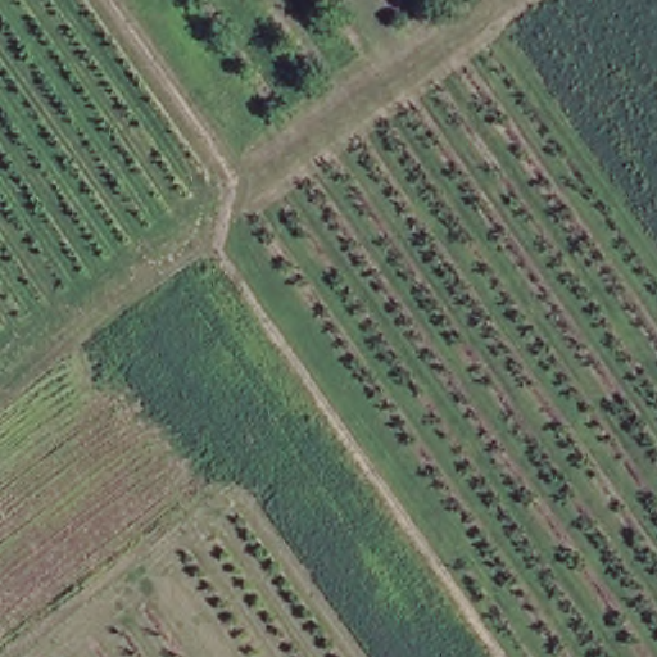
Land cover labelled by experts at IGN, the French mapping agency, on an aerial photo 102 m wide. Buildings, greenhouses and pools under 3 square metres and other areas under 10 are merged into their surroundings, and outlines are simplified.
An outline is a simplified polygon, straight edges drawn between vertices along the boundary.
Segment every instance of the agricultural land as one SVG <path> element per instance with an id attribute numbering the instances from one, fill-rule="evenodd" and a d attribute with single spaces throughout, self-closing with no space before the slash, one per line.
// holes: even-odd
<path id="1" fill-rule="evenodd" d="M 518 46 L 526 51 L 526 56 L 542 74 L 547 92 L 559 100 L 580 139 L 595 154 L 598 167 L 608 175 L 608 182 L 624 190 L 626 208 L 642 223 L 644 234 L 649 234 L 657 244 L 657 0 L 539 0 L 536 5 L 529 5 L 521 15 L 516 15 L 503 33 L 511 41 L 518 41 Z"/>
<path id="2" fill-rule="evenodd" d="M 329 429 L 326 418 L 318 413 L 311 393 L 303 388 L 295 372 L 290 372 L 277 346 L 267 339 L 257 318 L 252 316 L 239 287 L 221 272 L 216 259 L 203 259 L 185 267 L 164 287 L 157 287 L 136 303 L 126 305 L 108 326 L 100 326 L 85 341 L 82 349 L 92 367 L 95 390 L 105 393 L 128 388 L 131 398 L 141 403 L 144 418 L 162 426 L 162 434 L 169 436 L 175 452 L 185 457 L 190 462 L 190 470 L 195 475 L 203 475 L 205 482 L 234 482 L 249 490 L 249 495 L 259 503 L 267 521 L 285 539 L 298 562 L 308 570 L 313 585 L 323 593 L 326 603 L 336 611 L 339 621 L 346 626 L 346 631 L 367 657 L 490 657 L 459 616 L 454 601 L 441 590 L 436 575 L 423 562 L 418 549 L 390 518 L 382 498 L 367 480 L 359 477 L 357 465 L 349 459 L 336 434 Z"/>

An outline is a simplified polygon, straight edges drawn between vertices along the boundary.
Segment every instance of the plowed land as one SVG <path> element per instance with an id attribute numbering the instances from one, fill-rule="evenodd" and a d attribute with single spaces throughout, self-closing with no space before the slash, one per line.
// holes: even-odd
<path id="1" fill-rule="evenodd" d="M 105 393 L 95 390 L 92 367 L 82 349 L 80 354 L 72 354 L 59 367 L 54 367 L 15 403 L 0 408 L 0 654 L 28 629 L 33 629 L 33 624 L 51 616 L 64 598 L 85 588 L 85 583 L 92 577 L 90 557 L 98 554 L 100 562 L 113 565 L 118 557 L 144 544 L 144 534 L 167 534 L 175 524 L 167 516 L 177 513 L 180 506 L 185 506 L 205 482 L 203 475 L 195 475 L 190 470 L 190 462 L 185 457 L 175 452 L 169 436 L 162 434 L 162 426 L 144 418 L 141 403 L 131 398 L 128 388 Z"/>

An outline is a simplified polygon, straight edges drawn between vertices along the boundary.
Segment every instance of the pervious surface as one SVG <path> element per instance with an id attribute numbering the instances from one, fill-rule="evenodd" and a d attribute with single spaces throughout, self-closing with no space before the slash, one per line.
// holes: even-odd
<path id="1" fill-rule="evenodd" d="M 213 236 L 216 259 L 221 272 L 239 287 L 252 316 L 257 318 L 267 339 L 277 346 L 290 372 L 295 372 L 303 388 L 311 393 L 318 413 L 326 418 L 329 429 L 336 434 L 349 459 L 357 465 L 359 477 L 367 480 L 382 498 L 390 518 L 418 549 L 423 562 L 436 575 L 441 590 L 454 601 L 459 616 L 490 657 L 508 657 L 495 634 L 477 616 L 462 585 L 441 565 L 434 547 L 426 542 L 421 529 L 408 516 L 405 506 L 398 500 L 388 480 L 377 472 L 372 459 L 359 447 L 359 441 L 352 436 L 336 408 L 329 403 L 311 370 L 282 336 L 277 323 L 269 318 L 267 308 L 246 282 L 244 272 L 231 262 L 226 239 L 234 218 L 239 177 L 228 164 L 216 133 L 208 128 L 203 115 L 190 105 L 187 95 L 180 90 L 180 82 L 169 69 L 164 54 L 141 28 L 136 13 L 126 10 L 118 0 L 103 0 L 105 10 L 115 18 L 118 31 L 144 56 L 149 74 L 167 90 L 177 110 L 200 136 L 210 159 L 221 167 L 226 177 L 223 182 L 218 182 L 218 223 Z"/>

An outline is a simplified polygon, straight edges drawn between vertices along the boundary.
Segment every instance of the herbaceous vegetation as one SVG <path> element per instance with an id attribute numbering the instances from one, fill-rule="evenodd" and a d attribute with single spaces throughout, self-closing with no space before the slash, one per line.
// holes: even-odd
<path id="1" fill-rule="evenodd" d="M 108 326 L 126 305 L 136 303 L 157 287 L 164 287 L 185 267 L 203 259 L 216 259 L 213 236 L 218 223 L 218 182 L 223 182 L 226 177 L 221 167 L 210 159 L 200 136 L 177 110 L 167 90 L 149 74 L 144 56 L 118 31 L 115 18 L 105 10 L 103 0 L 0 0 L 0 15 L 3 15 L 5 26 L 10 28 L 13 38 L 18 41 L 18 46 L 23 49 L 23 56 L 21 56 L 21 59 L 13 59 L 13 54 L 10 54 L 10 51 L 8 51 L 8 46 L 5 46 L 5 38 L 0 36 L 0 408 L 15 403 L 54 367 L 59 367 L 72 354 L 80 354 L 82 349 L 85 341 L 100 326 Z M 77 95 L 59 80 L 51 62 L 46 59 L 46 54 L 51 51 L 64 62 L 64 69 L 72 74 L 72 80 L 77 80 L 90 103 L 80 105 Z M 64 105 L 69 123 L 59 123 L 59 115 L 46 105 L 41 92 L 33 87 L 31 72 L 36 69 L 44 77 L 46 87 Z M 108 139 L 90 126 L 90 118 L 100 118 L 103 126 L 113 128 L 115 141 L 131 154 L 136 175 L 126 175 L 123 162 L 110 151 Z M 85 146 L 92 146 L 98 151 L 98 157 L 118 182 L 115 190 L 105 190 L 103 180 L 90 167 L 82 151 Z M 159 180 L 159 172 L 149 164 L 151 149 L 159 151 L 162 162 L 175 177 L 177 192 L 167 192 L 164 182 Z M 72 169 L 80 175 L 90 192 L 80 195 L 80 182 L 64 177 L 64 172 L 54 162 L 54 157 L 59 154 L 64 154 L 67 164 L 72 164 Z M 54 182 L 59 185 L 67 205 L 80 216 L 77 223 L 69 223 L 59 213 L 56 203 L 49 198 L 49 185 Z"/>
<path id="2" fill-rule="evenodd" d="M 177 513 L 167 516 L 175 524 L 167 534 L 144 534 L 144 544 L 118 557 L 113 565 L 100 562 L 98 554 L 90 557 L 92 577 L 85 583 L 85 588 L 64 598 L 51 616 L 33 624 L 33 629 L 28 629 L 0 654 L 0 657 L 367 657 L 346 631 L 346 626 L 339 621 L 336 611 L 326 603 L 323 593 L 313 585 L 308 570 L 298 562 L 285 539 L 267 521 L 259 503 L 249 495 L 249 490 L 234 482 L 205 482 L 185 506 L 180 506 Z M 277 595 L 272 580 L 264 572 L 272 567 L 272 562 L 280 567 L 285 588 L 298 598 L 293 608 L 287 608 L 287 603 Z"/>
<path id="3" fill-rule="evenodd" d="M 619 421 L 616 416 L 611 416 L 611 411 L 616 403 L 624 400 L 619 380 L 649 380 L 652 390 L 657 393 L 657 244 L 649 234 L 644 234 L 642 223 L 626 208 L 624 190 L 608 182 L 608 175 L 598 167 L 595 154 L 580 139 L 559 100 L 547 92 L 542 74 L 526 56 L 526 51 L 518 46 L 518 41 L 511 41 L 503 33 L 516 15 L 521 15 L 529 5 L 536 5 L 539 0 L 470 0 L 452 10 L 449 21 L 426 23 L 421 21 L 421 0 L 341 0 L 341 5 L 352 10 L 349 23 L 341 31 L 334 31 L 331 36 L 311 36 L 305 26 L 316 15 L 318 0 L 118 0 L 126 10 L 136 13 L 141 28 L 164 54 L 169 69 L 180 82 L 180 90 L 187 95 L 190 105 L 203 115 L 208 128 L 216 133 L 228 164 L 239 177 L 234 218 L 226 239 L 231 262 L 244 272 L 246 282 L 267 308 L 269 318 L 277 323 L 282 336 L 311 370 L 329 403 L 336 408 L 352 436 L 359 441 L 359 447 L 372 459 L 377 472 L 388 480 L 398 500 L 405 506 L 408 516 L 421 529 L 426 542 L 434 547 L 441 565 L 462 585 L 477 616 L 495 634 L 508 657 L 657 657 L 657 426 L 647 426 L 644 434 L 639 434 L 634 441 L 626 431 L 634 429 L 636 416 L 631 413 L 624 421 Z M 218 21 L 218 15 L 226 23 L 241 21 L 252 31 L 249 46 L 241 49 L 234 59 L 213 36 L 213 23 Z M 290 56 L 280 56 L 275 49 L 282 33 L 287 41 L 293 41 L 293 46 L 300 54 L 313 56 L 321 67 L 326 67 L 334 74 L 334 90 L 326 98 L 300 98 L 293 108 L 277 108 L 282 113 L 282 126 L 269 126 L 269 103 L 264 98 L 269 95 L 269 80 L 259 85 L 257 98 L 249 100 L 241 90 L 236 90 L 236 72 L 241 72 L 249 62 L 259 62 L 269 74 L 275 74 L 275 82 L 300 90 L 305 80 L 295 72 Z M 536 123 L 521 115 L 521 108 L 513 103 L 516 92 L 526 95 L 526 100 L 539 110 L 544 126 L 536 128 Z M 498 123 L 485 123 L 480 110 L 472 108 L 475 95 L 488 95 L 493 100 L 495 110 L 500 113 Z M 395 115 L 395 110 L 405 105 L 418 108 L 418 121 L 429 128 L 423 131 L 426 141 L 431 141 L 431 136 L 436 136 L 439 141 L 434 149 L 413 144 L 413 149 L 403 157 L 390 151 L 390 123 L 385 118 Z M 346 151 L 349 144 L 367 146 L 372 167 L 380 172 L 377 182 L 370 182 L 364 177 L 364 169 L 357 164 L 359 159 Z M 416 200 L 418 187 L 413 185 L 413 180 L 418 180 L 421 172 L 426 172 L 429 185 L 434 185 L 441 192 L 441 200 L 459 218 L 462 231 L 454 228 L 447 234 L 444 226 L 434 221 L 429 208 L 421 200 Z M 557 177 L 570 172 L 583 172 L 585 182 L 593 187 L 590 198 L 583 200 L 577 192 L 570 192 L 557 185 Z M 308 203 L 305 195 L 295 187 L 298 180 L 308 180 L 311 187 L 326 198 L 329 208 L 318 210 L 316 203 Z M 254 213 L 254 216 L 259 216 L 259 218 L 262 218 L 262 226 L 264 226 L 264 231 L 267 231 L 267 239 L 269 239 L 269 244 L 262 244 L 262 241 L 257 241 L 257 239 L 254 239 L 254 236 L 249 234 L 249 226 L 246 226 L 246 216 L 249 216 L 249 213 Z M 529 285 L 536 280 L 536 272 L 524 277 L 511 262 L 508 252 L 500 249 L 498 236 L 503 226 L 508 226 L 518 244 L 534 254 L 534 264 L 539 269 L 544 267 L 547 272 L 549 282 L 536 295 Z M 385 339 L 395 349 L 400 364 L 398 370 L 388 370 L 382 364 L 385 352 L 375 359 L 370 359 L 370 354 L 364 352 L 364 346 L 377 346 L 380 339 Z M 529 388 L 513 382 L 511 372 L 506 370 L 506 359 L 498 354 L 503 346 L 511 349 L 511 357 L 518 364 L 521 375 L 531 377 Z M 375 388 L 362 390 L 359 382 L 346 372 L 346 364 L 352 364 L 352 359 L 370 370 Z M 534 472 L 534 467 L 526 462 L 524 447 L 524 439 L 529 436 L 549 457 L 554 470 L 539 475 Z M 572 529 L 583 529 L 580 516 L 593 518 L 595 531 L 606 539 L 619 565 L 603 572 L 598 552 L 585 539 L 572 536 Z"/>

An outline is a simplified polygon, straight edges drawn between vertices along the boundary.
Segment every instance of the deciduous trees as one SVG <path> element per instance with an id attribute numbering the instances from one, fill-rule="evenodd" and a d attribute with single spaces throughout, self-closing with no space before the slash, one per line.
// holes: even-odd
<path id="1" fill-rule="evenodd" d="M 434 149 L 439 141 L 436 136 L 431 136 L 431 141 L 426 141 L 423 131 L 429 128 L 418 121 L 418 108 L 405 105 L 395 110 L 395 115 L 385 118 L 390 123 L 390 151 L 403 157 L 413 149 L 413 144 Z"/>
<path id="2" fill-rule="evenodd" d="M 421 21 L 426 23 L 449 21 L 452 10 L 470 0 L 421 0 Z"/>
<path id="3" fill-rule="evenodd" d="M 372 167 L 367 146 L 349 144 L 346 151 L 359 159 L 357 164 L 364 169 L 364 177 L 370 182 L 377 182 L 380 172 Z"/>
<path id="4" fill-rule="evenodd" d="M 447 234 L 454 228 L 462 231 L 459 218 L 441 200 L 441 192 L 434 185 L 429 185 L 426 172 L 421 172 L 418 180 L 413 180 L 413 185 L 418 187 L 416 200 L 421 200 L 429 208 L 434 221 L 444 226 Z"/>
<path id="5" fill-rule="evenodd" d="M 593 187 L 585 182 L 583 172 L 570 172 L 557 177 L 557 185 L 570 192 L 577 192 L 583 200 L 590 198 Z"/>
<path id="6" fill-rule="evenodd" d="M 13 54 L 13 59 L 21 59 L 21 56 L 23 56 L 23 49 L 18 46 L 18 41 L 13 38 L 10 28 L 5 26 L 3 15 L 0 15 L 0 36 L 5 38 L 5 46 L 8 46 L 8 51 L 10 51 L 10 54 Z"/>
<path id="7" fill-rule="evenodd" d="M 162 162 L 159 151 L 151 149 L 149 164 L 159 172 L 159 180 L 164 182 L 167 192 L 177 192 L 175 177 Z"/>
<path id="8" fill-rule="evenodd" d="M 252 31 L 241 21 L 226 23 L 218 15 L 218 21 L 213 23 L 213 36 L 234 59 L 241 49 L 249 46 Z"/>
<path id="9" fill-rule="evenodd" d="M 593 518 L 580 516 L 583 529 L 572 529 L 572 536 L 585 539 L 598 552 L 603 572 L 619 565 L 606 539 L 595 531 Z"/>
<path id="10" fill-rule="evenodd" d="M 249 226 L 249 234 L 254 236 L 254 239 L 257 239 L 257 241 L 262 241 L 262 244 L 269 244 L 269 239 L 267 239 L 267 231 L 264 231 L 264 226 L 262 226 L 262 218 L 259 218 L 259 216 L 254 216 L 254 213 L 249 213 L 249 216 L 246 216 L 246 226 Z"/>
<path id="11" fill-rule="evenodd" d="M 500 113 L 495 110 L 493 100 L 488 95 L 475 95 L 472 108 L 480 110 L 485 123 L 498 123 Z"/>
<path id="12" fill-rule="evenodd" d="M 526 462 L 534 467 L 534 472 L 539 475 L 554 470 L 549 457 L 529 436 L 524 439 L 524 447 Z"/>
<path id="13" fill-rule="evenodd" d="M 380 339 L 377 346 L 364 346 L 364 352 L 370 354 L 370 359 L 375 359 L 385 352 L 382 364 L 388 370 L 398 370 L 400 364 L 395 349 L 385 339 Z"/>
<path id="14" fill-rule="evenodd" d="M 80 105 L 90 103 L 77 80 L 72 80 L 72 74 L 64 69 L 64 62 L 51 51 L 46 54 L 46 59 L 51 62 L 59 80 L 77 95 Z"/>
<path id="15" fill-rule="evenodd" d="M 115 141 L 113 128 L 103 126 L 100 118 L 90 118 L 90 126 L 108 139 L 110 151 L 123 162 L 126 175 L 136 175 L 131 154 Z"/>
<path id="16" fill-rule="evenodd" d="M 511 349 L 503 346 L 498 354 L 506 359 L 506 370 L 511 372 L 513 382 L 529 388 L 531 377 L 521 375 L 518 364 L 511 357 Z"/>
<path id="17" fill-rule="evenodd" d="M 619 421 L 624 421 L 631 413 L 636 416 L 634 429 L 626 431 L 634 441 L 639 434 L 644 434 L 647 426 L 657 426 L 657 393 L 652 390 L 649 380 L 619 380 L 624 400 L 616 403 L 611 411 L 611 416 L 616 416 Z"/>
<path id="18" fill-rule="evenodd" d="M 280 567 L 272 562 L 272 567 L 264 572 L 272 580 L 277 595 L 287 603 L 287 608 L 293 608 L 298 598 L 285 588 Z"/>
<path id="19" fill-rule="evenodd" d="M 536 272 L 536 280 L 529 285 L 536 295 L 549 282 L 547 272 L 544 267 L 539 269 L 534 264 L 534 254 L 518 244 L 508 226 L 503 226 L 498 236 L 500 249 L 508 252 L 511 262 L 524 277 Z"/>
<path id="20" fill-rule="evenodd" d="M 103 180 L 105 190 L 115 190 L 118 182 L 98 157 L 98 151 L 92 146 L 85 146 L 82 151 L 90 167 Z"/>
<path id="21" fill-rule="evenodd" d="M 513 103 L 521 108 L 521 115 L 536 123 L 536 128 L 544 126 L 539 110 L 526 100 L 526 95 L 516 92 Z"/>
<path id="22" fill-rule="evenodd" d="M 375 388 L 370 370 L 352 359 L 352 364 L 346 364 L 346 372 L 359 382 L 362 390 Z"/>
<path id="23" fill-rule="evenodd" d="M 59 213 L 69 223 L 77 223 L 80 216 L 67 205 L 59 185 L 54 182 L 49 185 L 49 198 L 56 203 Z"/>
<path id="24" fill-rule="evenodd" d="M 326 198 L 311 187 L 308 180 L 298 180 L 295 187 L 305 195 L 308 203 L 316 203 L 318 210 L 329 208 Z"/>
<path id="25" fill-rule="evenodd" d="M 316 15 L 305 26 L 311 36 L 331 36 L 334 31 L 341 31 L 349 23 L 352 10 L 341 5 L 341 0 L 318 0 Z"/>
<path id="26" fill-rule="evenodd" d="M 80 175 L 72 169 L 72 164 L 67 164 L 64 154 L 59 154 L 54 157 L 54 162 L 64 172 L 64 177 L 80 182 L 80 195 L 90 192 Z"/>
<path id="27" fill-rule="evenodd" d="M 259 85 L 269 80 L 269 95 L 264 98 L 269 103 L 269 126 L 282 126 L 282 113 L 277 108 L 293 108 L 300 98 L 326 98 L 334 90 L 334 74 L 326 67 L 321 67 L 313 56 L 300 54 L 293 46 L 293 41 L 287 41 L 282 33 L 275 49 L 280 56 L 290 56 L 295 72 L 305 80 L 300 90 L 275 82 L 275 74 L 269 74 L 259 62 L 249 62 L 241 72 L 236 72 L 236 90 L 241 90 L 249 100 L 257 98 Z"/>
<path id="28" fill-rule="evenodd" d="M 59 123 L 69 123 L 64 105 L 46 87 L 44 77 L 36 69 L 31 72 L 33 87 L 41 92 L 46 105 L 59 115 Z"/>

